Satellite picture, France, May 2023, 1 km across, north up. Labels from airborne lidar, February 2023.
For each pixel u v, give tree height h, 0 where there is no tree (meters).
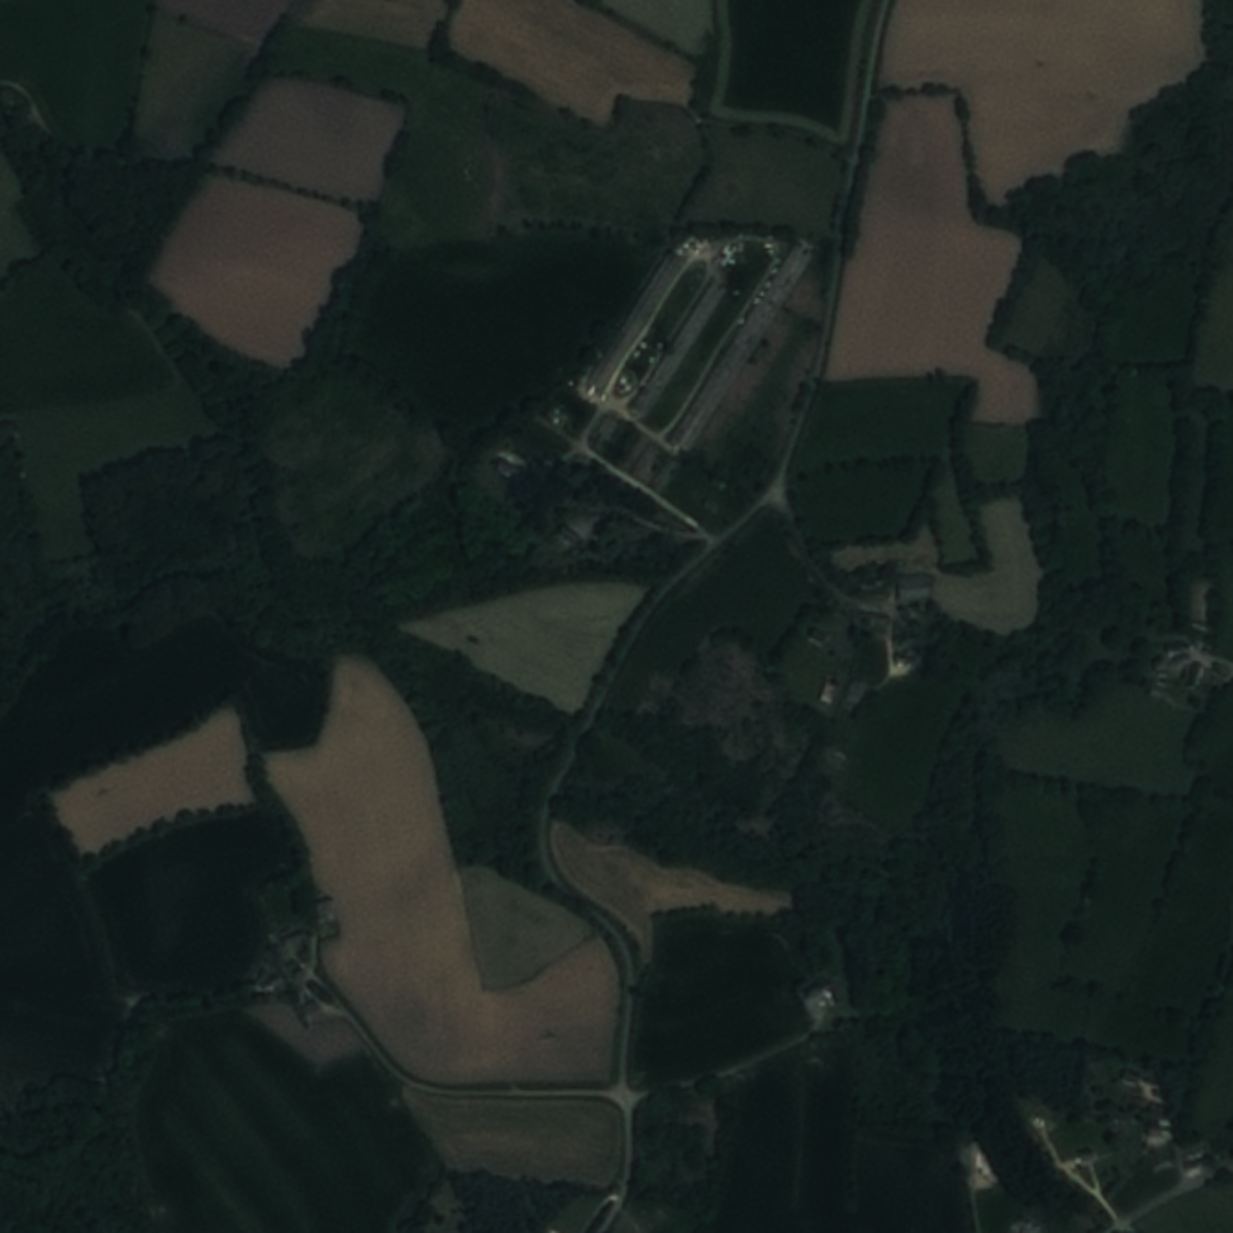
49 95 0
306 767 0
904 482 0
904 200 0
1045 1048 15
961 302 0
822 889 10
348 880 0
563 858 0
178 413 0
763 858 12
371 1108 0
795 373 0
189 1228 0
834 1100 0
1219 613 13
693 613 0
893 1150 0
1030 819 0
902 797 0
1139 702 0
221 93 0
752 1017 0
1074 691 13
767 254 0
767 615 0
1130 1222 0
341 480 0
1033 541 12
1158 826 0
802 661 0
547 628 0
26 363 0
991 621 0
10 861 0
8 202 0
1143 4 0
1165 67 0
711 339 0
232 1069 0
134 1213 8
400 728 0
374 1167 0
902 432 0
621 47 0
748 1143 0
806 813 14
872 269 0
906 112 0
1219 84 10
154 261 14
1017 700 14
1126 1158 0
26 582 9
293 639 16
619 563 9
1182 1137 14
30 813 0
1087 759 0
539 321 0
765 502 0
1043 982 0
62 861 0
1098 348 7
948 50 0
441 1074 0
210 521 18
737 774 12
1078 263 12
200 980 0
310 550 0
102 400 0
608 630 0
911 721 0
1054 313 0
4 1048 0
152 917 0
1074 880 0
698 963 0
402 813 0
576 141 0
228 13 0
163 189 15
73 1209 10
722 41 0
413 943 0
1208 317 10
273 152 0
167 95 0
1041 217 9
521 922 0
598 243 10
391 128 0
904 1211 0
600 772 0
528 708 11
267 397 10
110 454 0
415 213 0
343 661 0
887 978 22
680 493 0
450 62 12
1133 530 16
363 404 0
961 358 0
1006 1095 32
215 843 0
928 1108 10
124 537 17
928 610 7
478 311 0
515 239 8
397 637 15
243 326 0
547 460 7
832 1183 0
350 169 0
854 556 0
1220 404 13
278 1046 0
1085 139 0
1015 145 0
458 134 0
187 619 17
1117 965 0
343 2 0
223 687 0
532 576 13
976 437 0
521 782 7
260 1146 0
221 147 12
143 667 0
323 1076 0
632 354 0
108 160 15
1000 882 15
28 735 0
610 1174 0
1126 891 0
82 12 0
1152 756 0
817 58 0
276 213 0
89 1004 0
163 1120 0
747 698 0
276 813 10
